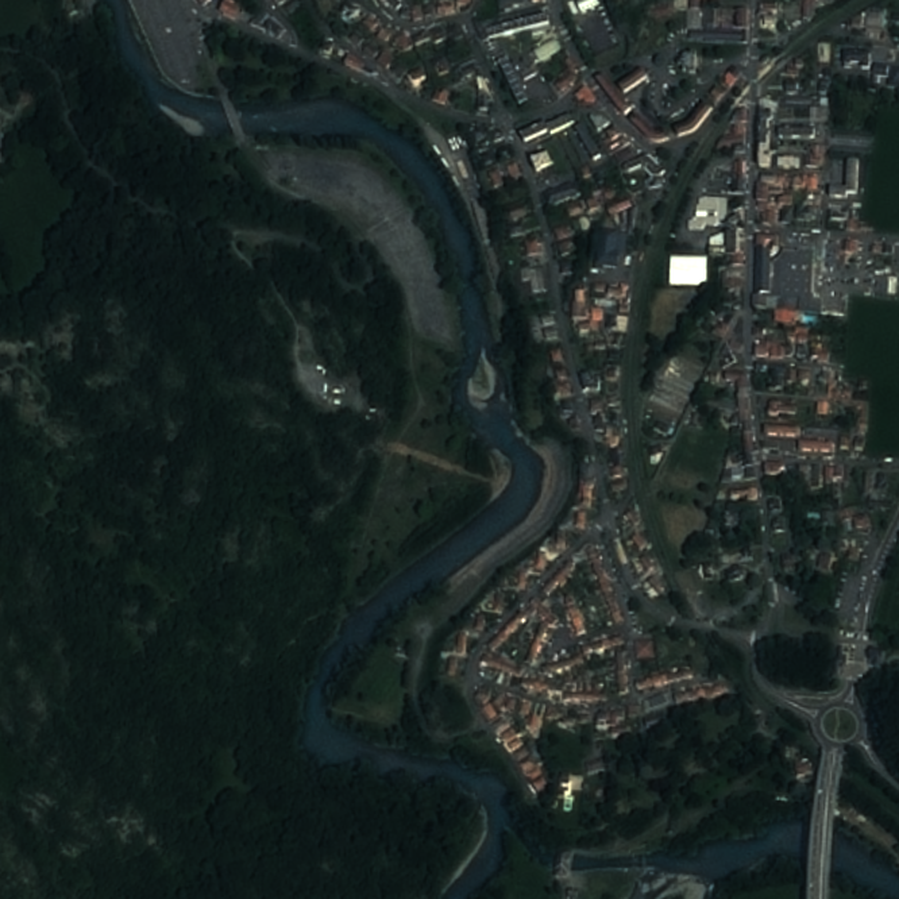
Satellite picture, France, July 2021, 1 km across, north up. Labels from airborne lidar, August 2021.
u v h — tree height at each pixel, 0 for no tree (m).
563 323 0
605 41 0
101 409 8
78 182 19
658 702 0
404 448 0
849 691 0
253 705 17
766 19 0
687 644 0
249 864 17
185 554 10
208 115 0
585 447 12
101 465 9
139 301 14
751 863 0
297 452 9
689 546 15
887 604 0
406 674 13
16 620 5
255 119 0
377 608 0
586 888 0
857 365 0
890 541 0
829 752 0
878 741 19
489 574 0
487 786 0
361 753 0
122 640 15
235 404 11
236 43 20
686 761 16
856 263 6
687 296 0
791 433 0
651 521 0
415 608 14
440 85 6
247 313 10
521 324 22
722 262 6
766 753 13
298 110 0
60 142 25
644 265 0
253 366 6
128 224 22
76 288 25
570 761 0
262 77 23
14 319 17
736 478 0
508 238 6
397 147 0
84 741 8
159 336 13
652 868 0
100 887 15
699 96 0
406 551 10
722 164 0
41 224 0
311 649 9
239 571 14
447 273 26
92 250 25
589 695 0
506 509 0
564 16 11
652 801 0
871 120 10
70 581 11
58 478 15
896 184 0
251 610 7
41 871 8
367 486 19
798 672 14
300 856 11
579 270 6
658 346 15
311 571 8
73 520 11
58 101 20
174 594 11
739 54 0
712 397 14
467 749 9
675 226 7
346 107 0
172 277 10
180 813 16
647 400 0
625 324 0
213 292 14
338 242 11
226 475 14
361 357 11
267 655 12
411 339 0
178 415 8
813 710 0
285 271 24
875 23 0
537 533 0
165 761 11
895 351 0
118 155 30
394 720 0
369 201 0
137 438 11
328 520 14
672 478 0
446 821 23
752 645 0
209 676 10
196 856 19
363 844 21
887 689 18
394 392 13
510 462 0
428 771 0
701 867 0
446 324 0
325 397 0
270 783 16
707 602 0
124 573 13
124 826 10
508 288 19
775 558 17
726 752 18
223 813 17
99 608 13
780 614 0
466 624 12
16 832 10
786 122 0
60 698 9
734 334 0
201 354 9
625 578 0
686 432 0
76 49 23
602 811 16
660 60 18
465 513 8
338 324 8
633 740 19
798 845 0
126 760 7
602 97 0
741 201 10
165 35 0
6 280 12
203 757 8
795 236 0
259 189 19
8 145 17
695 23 0
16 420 6
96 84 26
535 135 0
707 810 0
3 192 0
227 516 7
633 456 0
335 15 10
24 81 14
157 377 8
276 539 7
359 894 12
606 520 0
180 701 8
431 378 0
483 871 0
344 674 24
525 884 0
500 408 0
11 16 0
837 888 17
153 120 12
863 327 0
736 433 6
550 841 25
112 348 8
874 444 0
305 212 27
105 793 11
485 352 0
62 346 10
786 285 0
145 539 15
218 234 21
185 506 10
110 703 8
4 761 0
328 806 11
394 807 11
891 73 0
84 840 7
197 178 38
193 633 7
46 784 10
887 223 0
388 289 24
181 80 0
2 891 11
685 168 10
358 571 0
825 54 0
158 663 15
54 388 8
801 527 11
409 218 0
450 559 0
